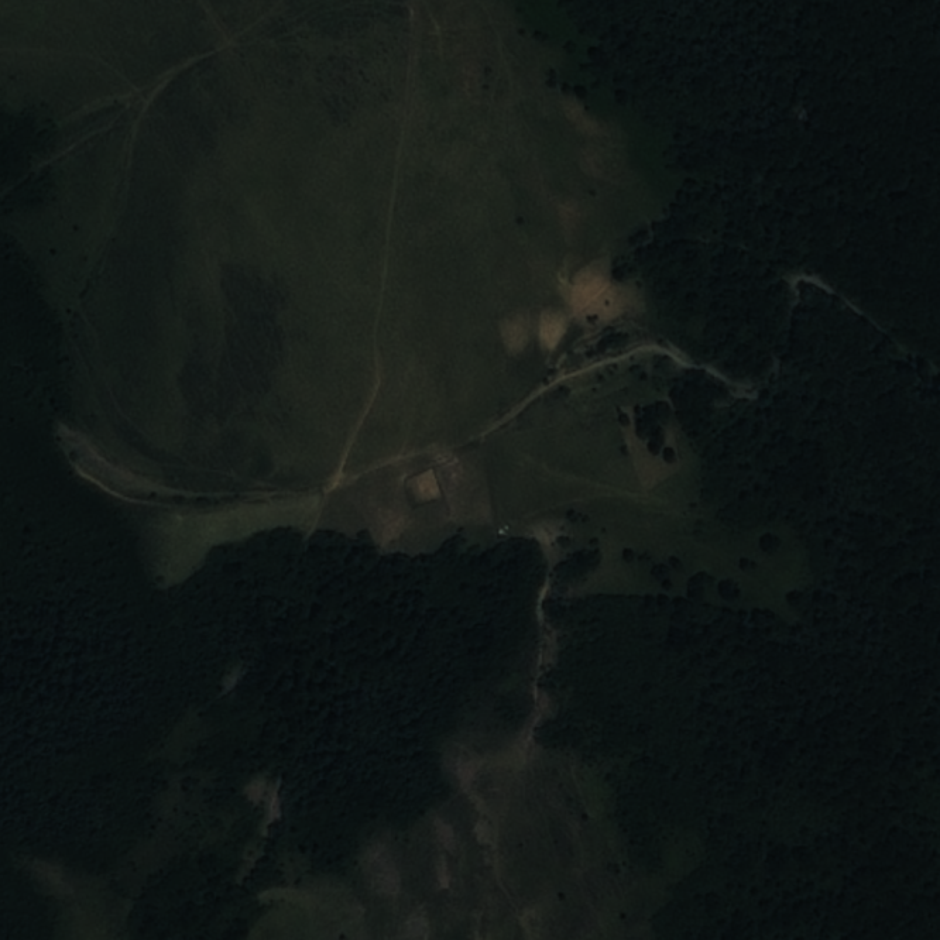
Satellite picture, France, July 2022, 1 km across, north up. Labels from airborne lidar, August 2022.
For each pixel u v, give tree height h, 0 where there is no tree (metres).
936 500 20
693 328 0
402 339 0
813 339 13
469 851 0
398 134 0
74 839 8
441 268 0
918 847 19
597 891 0
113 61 0
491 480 0
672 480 0
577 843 0
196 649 5
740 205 18
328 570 12
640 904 0
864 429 12
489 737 0
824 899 14
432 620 14
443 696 9
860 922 17
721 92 15
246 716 6
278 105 0
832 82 19
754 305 11
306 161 0
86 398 0
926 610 22
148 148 0
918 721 17
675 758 5
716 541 0
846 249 24
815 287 10
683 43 12
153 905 7
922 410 22
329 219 0
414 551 0
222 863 8
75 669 14
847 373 16
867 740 16
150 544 0
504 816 0
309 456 0
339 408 0
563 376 0
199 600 8
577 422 0
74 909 0
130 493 0
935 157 25
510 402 0
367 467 0
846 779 17
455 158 0
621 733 6
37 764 9
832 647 7
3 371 6
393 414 0
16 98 0
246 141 0
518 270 0
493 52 0
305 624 17
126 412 0
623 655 6
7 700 15
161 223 0
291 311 0
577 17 6
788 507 5
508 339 0
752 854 15
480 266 0
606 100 0
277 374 0
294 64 0
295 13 0
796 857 13
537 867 0
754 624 10
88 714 10
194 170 0
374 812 7
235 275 0
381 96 0
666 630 6
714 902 14
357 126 0
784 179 19
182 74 0
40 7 0
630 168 0
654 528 0
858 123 23
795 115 20
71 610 9
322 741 13
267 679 22
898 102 21
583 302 0
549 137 0
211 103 0
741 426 15
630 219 0
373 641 22
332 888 0
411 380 0
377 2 0
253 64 0
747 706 12
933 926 14
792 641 7
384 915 0
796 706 13
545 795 0
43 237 0
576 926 0
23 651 22
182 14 0
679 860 0
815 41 18
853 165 21
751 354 14
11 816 9
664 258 8
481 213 0
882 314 16
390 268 0
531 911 0
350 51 0
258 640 13
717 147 15
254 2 0
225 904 8
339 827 6
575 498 0
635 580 0
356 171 0
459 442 0
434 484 0
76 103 0
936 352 17
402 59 0
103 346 0
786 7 18
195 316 0
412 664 9
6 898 6
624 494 0
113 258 0
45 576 9
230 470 0
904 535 9
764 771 12
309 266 0
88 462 0
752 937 15
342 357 0
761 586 0
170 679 7
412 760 12
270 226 0
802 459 16
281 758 13
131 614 6
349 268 0
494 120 0
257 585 13
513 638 6
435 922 0
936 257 24
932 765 7
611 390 0
